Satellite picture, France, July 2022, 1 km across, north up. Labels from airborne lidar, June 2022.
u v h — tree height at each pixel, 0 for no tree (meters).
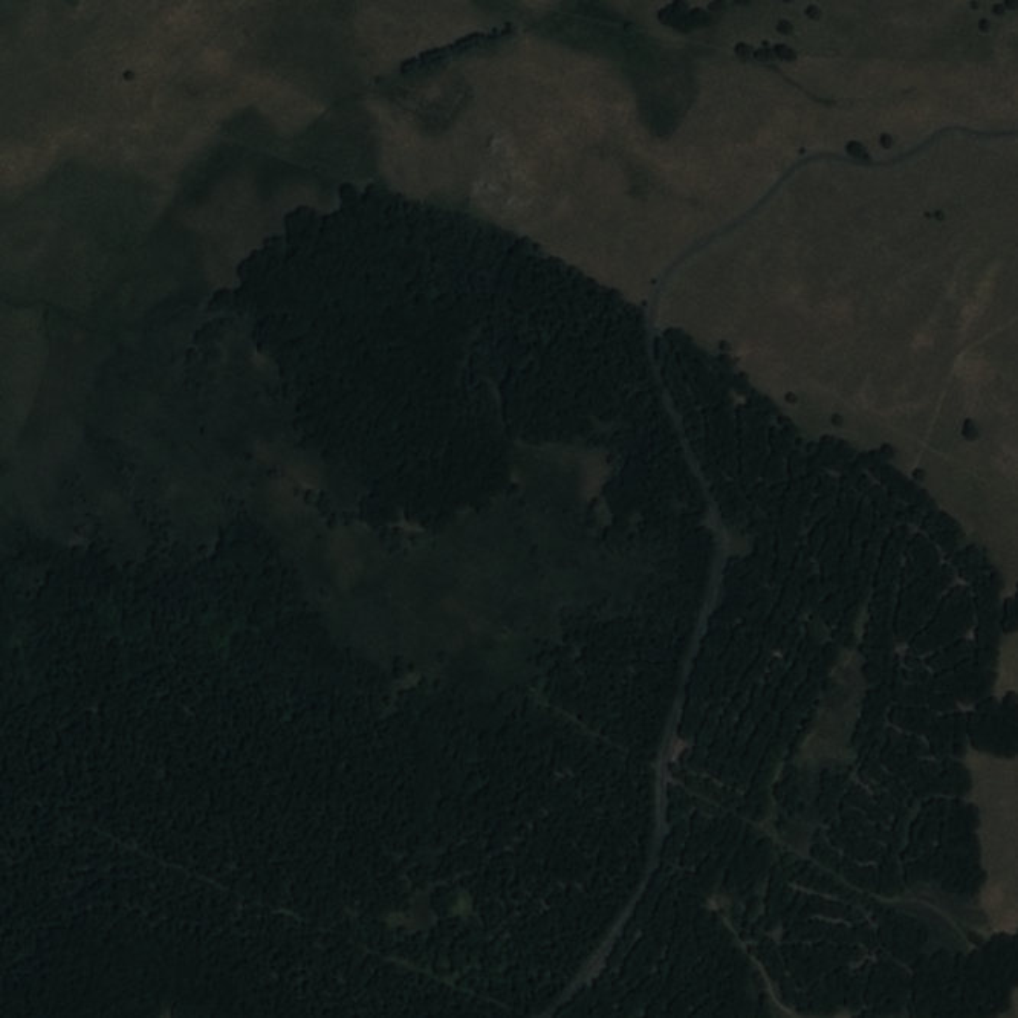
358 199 12
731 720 10
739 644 12
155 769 11
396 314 12
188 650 13
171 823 8
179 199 0
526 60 0
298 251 15
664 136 0
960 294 0
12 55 0
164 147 0
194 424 0
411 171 0
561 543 0
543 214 0
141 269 0
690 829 9
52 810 10
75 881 14
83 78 0
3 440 0
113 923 10
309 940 11
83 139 0
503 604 0
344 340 11
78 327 0
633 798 9
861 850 9
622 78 0
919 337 0
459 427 12
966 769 9
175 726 13
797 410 0
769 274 0
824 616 11
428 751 12
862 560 13
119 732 14
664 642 11
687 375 12
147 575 14
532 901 14
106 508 0
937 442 0
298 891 13
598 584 0
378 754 11
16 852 13
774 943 11
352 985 10
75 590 8
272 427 0
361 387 13
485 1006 11
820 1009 9
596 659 11
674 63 0
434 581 0
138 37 0
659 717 11
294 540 0
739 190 0
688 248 0
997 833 0
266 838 12
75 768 9
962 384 0
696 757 10
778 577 12
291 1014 13
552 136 0
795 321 0
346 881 12
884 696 12
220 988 13
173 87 0
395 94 0
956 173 0
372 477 8
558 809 12
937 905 0
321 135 0
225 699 14
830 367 0
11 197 0
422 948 8
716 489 9
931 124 0
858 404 0
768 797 10
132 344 0
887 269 0
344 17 0
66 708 14
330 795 14
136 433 0
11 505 0
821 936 11
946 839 9
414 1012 10
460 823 11
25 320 0
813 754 0
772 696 12
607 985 12
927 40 0
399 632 0
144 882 14
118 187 0
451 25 0
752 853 11
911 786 10
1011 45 0
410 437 13
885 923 8
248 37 0
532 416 8
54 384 0
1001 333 0
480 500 11
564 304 12
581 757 10
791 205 0
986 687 12
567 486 0
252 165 0
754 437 13
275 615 10
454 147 0
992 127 0
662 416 12
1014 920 0
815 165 0
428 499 15
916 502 11
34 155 0
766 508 14
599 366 14
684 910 12
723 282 0
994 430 0
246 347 0
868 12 0
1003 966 9
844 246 0
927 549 11
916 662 12
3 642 13
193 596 8
